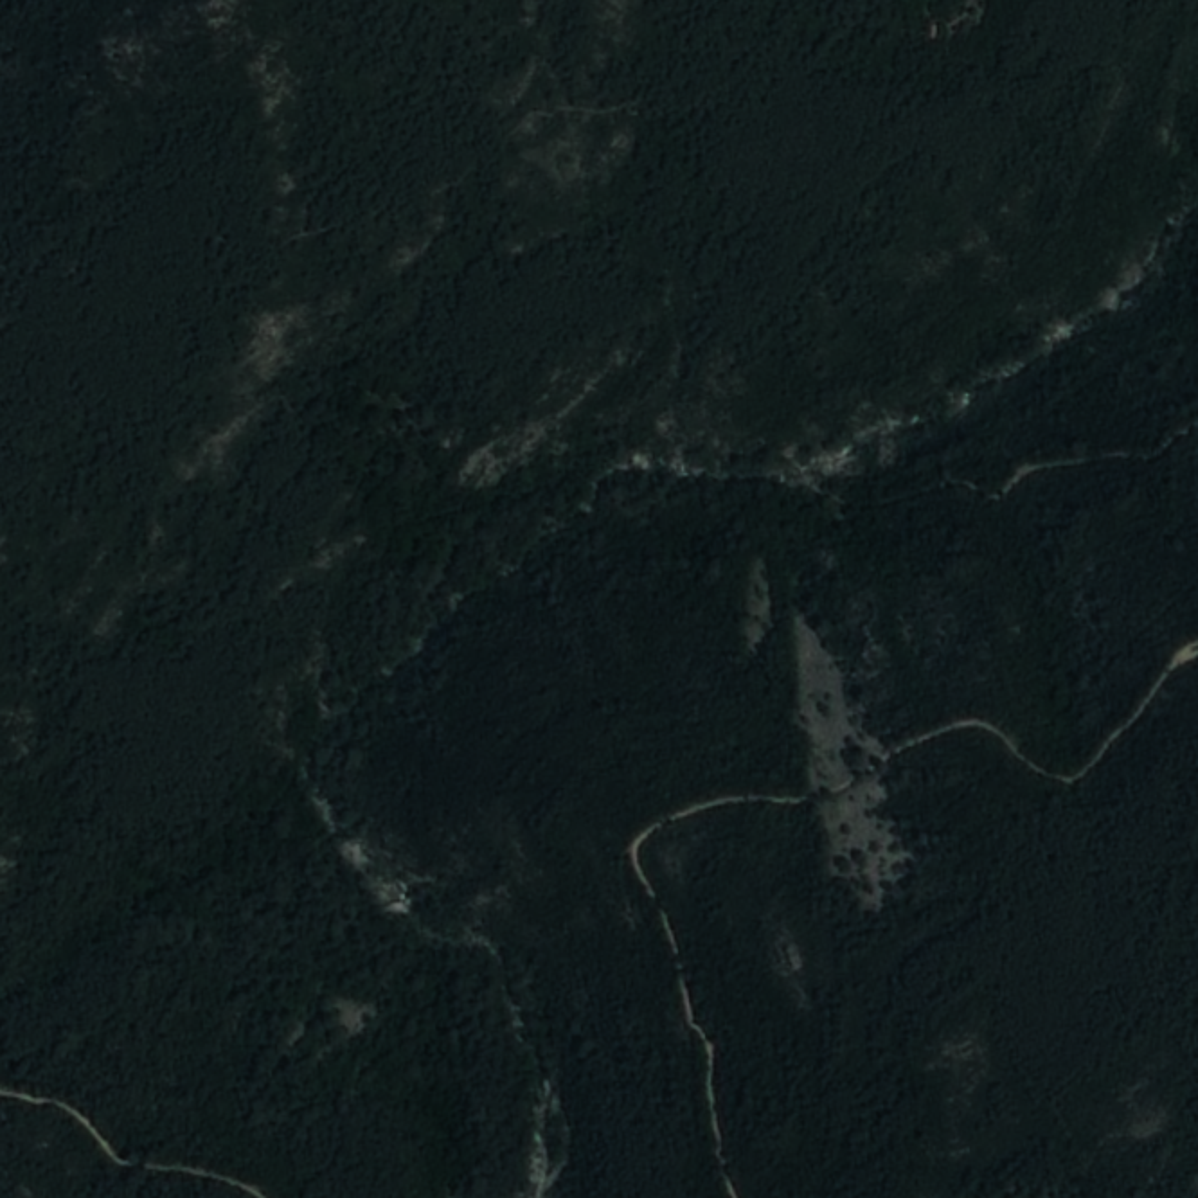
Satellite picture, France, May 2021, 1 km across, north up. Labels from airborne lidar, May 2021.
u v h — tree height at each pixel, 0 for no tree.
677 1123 18
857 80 13
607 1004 10
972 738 8
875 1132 17
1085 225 8
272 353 0
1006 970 22
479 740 12
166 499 6
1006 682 10
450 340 18
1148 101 7
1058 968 24
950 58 11
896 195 13
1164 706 6
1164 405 10
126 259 18
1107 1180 8
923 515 16
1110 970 17
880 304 12
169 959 12
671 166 18
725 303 16
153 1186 24
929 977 18
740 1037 8
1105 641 6
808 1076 8
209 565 18
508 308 21
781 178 19
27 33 8
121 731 17
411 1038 21
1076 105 15
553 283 20
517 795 8
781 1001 7
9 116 14
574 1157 11
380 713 10
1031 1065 12
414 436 18
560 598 18
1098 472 6
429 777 11
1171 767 12
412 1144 20
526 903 8
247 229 16
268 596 15
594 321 17
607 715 8
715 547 21
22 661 6
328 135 7
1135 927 16
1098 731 6
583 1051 23
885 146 18
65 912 19
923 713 12
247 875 21
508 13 6
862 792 0
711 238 15
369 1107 15
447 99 16
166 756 24
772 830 7
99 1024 21
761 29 8
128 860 14
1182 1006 13
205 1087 14
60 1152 6
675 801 8
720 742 9
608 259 17
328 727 12
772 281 17
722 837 7
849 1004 6
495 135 16
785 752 14
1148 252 7
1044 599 21
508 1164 17
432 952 15
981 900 13
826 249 14
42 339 17
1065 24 20
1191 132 13
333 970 12
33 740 14
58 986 19
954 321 11
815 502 13
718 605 12
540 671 12
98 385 18
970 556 20
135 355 19
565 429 16
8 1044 20
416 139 15
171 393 16
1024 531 6
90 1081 15
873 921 12
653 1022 9
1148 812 14
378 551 23
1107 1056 15
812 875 15
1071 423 8
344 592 11
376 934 13
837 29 17
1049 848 21
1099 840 16
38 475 17
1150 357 9
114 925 25
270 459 19
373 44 14
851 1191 15
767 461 17
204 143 15
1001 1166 6
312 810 20
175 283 19
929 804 8
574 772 11
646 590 13
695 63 15
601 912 7
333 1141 22
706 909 7
